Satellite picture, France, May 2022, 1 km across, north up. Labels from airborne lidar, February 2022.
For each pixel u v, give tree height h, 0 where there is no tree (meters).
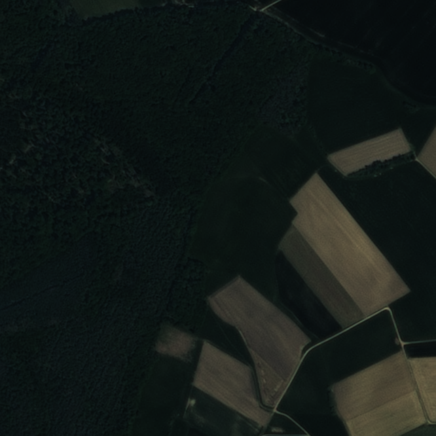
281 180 0
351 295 0
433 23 0
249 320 0
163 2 0
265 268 0
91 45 27
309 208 0
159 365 0
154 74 32
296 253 0
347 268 0
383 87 0
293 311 0
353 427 0
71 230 26
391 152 0
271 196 0
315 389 0
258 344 0
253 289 0
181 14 21
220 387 0
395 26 0
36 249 28
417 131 0
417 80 0
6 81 6
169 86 31
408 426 0
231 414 0
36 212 25
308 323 0
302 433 0
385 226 0
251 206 0
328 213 0
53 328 10
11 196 27
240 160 0
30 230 27
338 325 0
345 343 0
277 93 27
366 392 0
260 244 0
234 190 0
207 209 0
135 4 0
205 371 0
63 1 17
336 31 0
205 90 32
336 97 0
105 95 30
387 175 0
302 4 0
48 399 8
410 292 0
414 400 0
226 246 0
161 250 9
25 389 21
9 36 7
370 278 0
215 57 28
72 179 35
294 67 24
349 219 0
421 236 0
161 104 29
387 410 0
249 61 27
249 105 28
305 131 0
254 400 0
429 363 0
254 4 0
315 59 0
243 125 28
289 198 0
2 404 18
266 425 0
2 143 14
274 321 0
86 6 0
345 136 0
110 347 7
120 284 13
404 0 0
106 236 22
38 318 14
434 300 0
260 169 0
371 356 0
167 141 29
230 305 0
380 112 0
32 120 28
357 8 0
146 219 8
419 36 0
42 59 27
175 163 31
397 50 0
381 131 0
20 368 20
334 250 0
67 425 10
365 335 0
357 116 0
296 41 25
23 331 10
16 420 23
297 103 21
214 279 0
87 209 26
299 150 0
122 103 21
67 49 27
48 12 9
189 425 0
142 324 9
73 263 15
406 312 0
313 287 0
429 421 0
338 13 0
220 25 29
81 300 13
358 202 0
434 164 0
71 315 16
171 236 9
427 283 0
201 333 0
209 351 0
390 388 0
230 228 0
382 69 0
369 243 0
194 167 29
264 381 0
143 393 0
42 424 17
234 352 0
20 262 26
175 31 25
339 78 0
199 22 27
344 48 0
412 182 0
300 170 0
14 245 28
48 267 17
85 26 22
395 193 0
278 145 0
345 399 0
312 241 0
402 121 0
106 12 0
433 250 0
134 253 9
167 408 0
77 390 10
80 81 33
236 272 0
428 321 0
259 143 0
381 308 0
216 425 0
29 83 9
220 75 31
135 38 31
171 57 33
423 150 0
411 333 0
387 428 0
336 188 0
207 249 0
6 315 17
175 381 0
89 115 7
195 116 30
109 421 10
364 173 7
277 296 0
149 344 13
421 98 0
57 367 10
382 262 0
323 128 0
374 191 0
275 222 0
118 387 9
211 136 33
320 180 0
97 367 7
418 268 0
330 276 0
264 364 0
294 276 0
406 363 0
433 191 0
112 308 8
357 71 0
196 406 0
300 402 0
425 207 0
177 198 12
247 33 30
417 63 0
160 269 9
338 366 0
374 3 0
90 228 19
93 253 17
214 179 23
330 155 0
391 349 0
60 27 15
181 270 23
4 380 23
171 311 25
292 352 0
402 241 0
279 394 0
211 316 0
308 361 0
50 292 15
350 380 0
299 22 0
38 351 6
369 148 0
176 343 0
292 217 0
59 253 14
